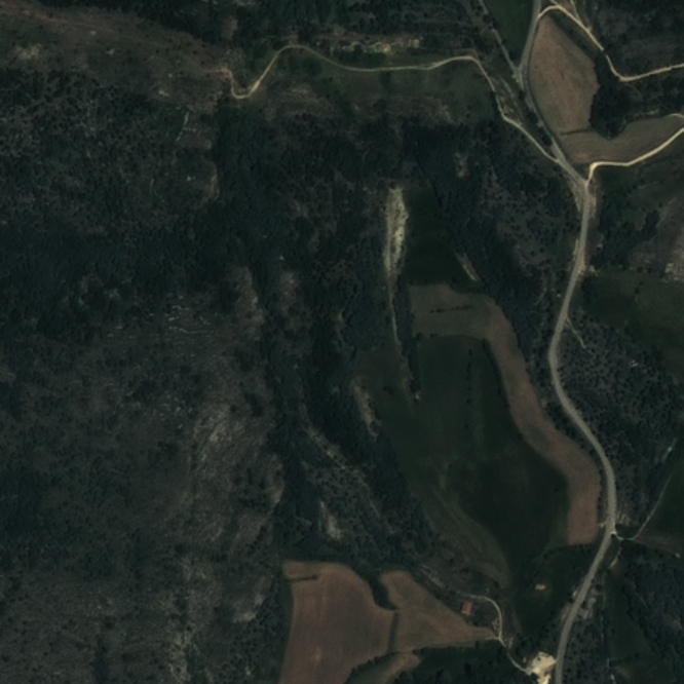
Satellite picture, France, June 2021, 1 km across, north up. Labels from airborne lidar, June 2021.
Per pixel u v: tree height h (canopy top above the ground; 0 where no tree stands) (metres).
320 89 0
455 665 0
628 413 11
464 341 0
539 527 0
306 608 0
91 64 0
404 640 0
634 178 0
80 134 6
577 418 0
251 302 0
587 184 0
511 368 0
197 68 0
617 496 0
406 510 8
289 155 10
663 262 0
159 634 0
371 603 0
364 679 0
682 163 0
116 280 10
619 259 11
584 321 12
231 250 11
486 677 12
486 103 0
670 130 0
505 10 0
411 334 10
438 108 0
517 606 0
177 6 6
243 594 0
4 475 7
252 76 0
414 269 0
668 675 0
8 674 0
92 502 6
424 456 0
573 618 0
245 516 0
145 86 0
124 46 0
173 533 0
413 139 12
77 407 0
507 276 9
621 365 11
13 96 7
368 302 13
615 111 7
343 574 0
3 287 11
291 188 7
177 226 6
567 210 9
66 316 7
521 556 0
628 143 0
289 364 10
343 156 12
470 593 0
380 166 8
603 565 0
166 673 0
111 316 8
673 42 0
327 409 14
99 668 6
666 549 0
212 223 12
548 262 10
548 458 0
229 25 0
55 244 10
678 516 0
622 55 0
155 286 9
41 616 0
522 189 10
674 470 0
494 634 0
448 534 0
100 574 7
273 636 7
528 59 0
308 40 10
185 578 0
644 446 9
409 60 0
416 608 0
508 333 0
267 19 7
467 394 0
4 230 7
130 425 0
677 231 0
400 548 9
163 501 0
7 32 0
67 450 7
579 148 0
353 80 0
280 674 0
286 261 6
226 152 11
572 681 9
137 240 8
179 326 0
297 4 13
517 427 0
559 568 0
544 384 14
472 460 0
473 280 0
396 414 0
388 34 8
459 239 7
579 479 0
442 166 12
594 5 0
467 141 9
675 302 0
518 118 0
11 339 7
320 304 14
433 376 0
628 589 9
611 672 11
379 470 9
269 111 0
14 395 6
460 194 10
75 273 7
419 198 0
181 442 0
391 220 0
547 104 0
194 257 8
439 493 0
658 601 9
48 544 8
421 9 10
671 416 12
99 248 10
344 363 13
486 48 6
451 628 0
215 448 0
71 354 8
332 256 10
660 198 0
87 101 6
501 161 11
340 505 8
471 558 0
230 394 0
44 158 6
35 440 9
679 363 0
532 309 8
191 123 0
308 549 10
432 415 0
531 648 10
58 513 6
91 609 0
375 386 0
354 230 10
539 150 0
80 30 0
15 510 6
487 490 0
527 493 0
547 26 0
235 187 11
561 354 0
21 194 8
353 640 0
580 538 0
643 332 0
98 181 7
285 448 10
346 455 7
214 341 0
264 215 12
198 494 0
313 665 0
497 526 0
